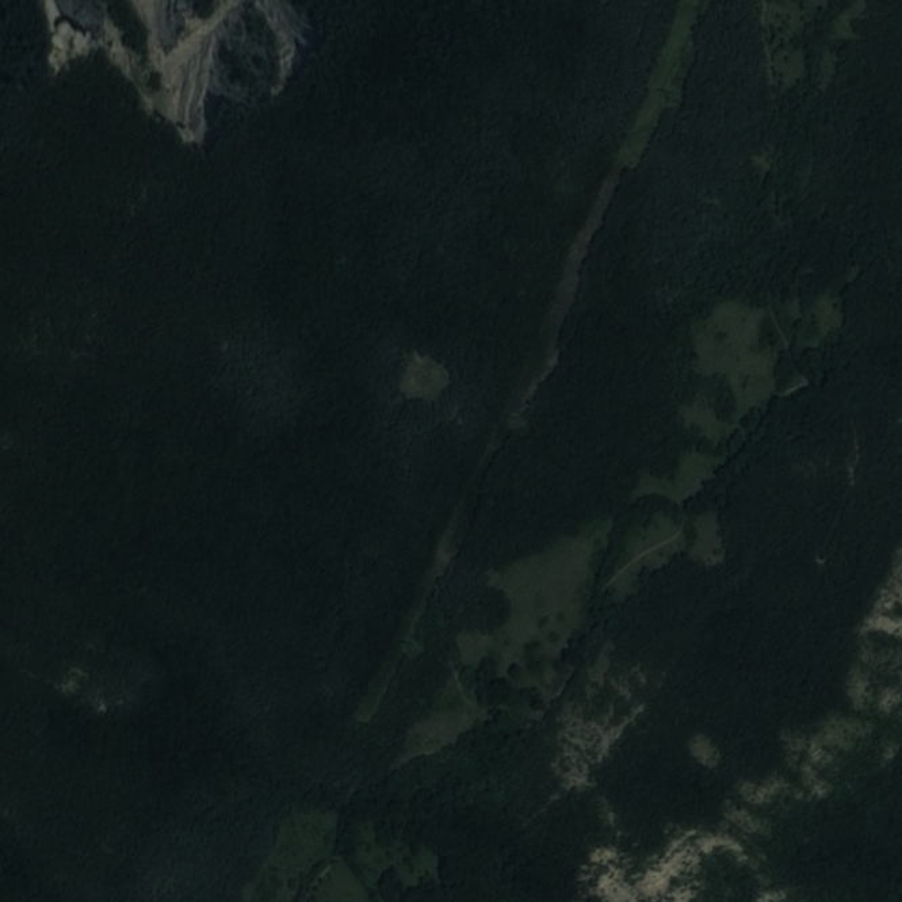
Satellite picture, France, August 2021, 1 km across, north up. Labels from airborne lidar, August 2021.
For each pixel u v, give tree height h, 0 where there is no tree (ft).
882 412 31
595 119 28
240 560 64
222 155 43
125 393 51
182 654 69
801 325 48
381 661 60
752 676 49
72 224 42
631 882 19
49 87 39
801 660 51
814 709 30
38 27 30
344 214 61
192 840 19
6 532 60
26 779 29
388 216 54
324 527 54
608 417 64
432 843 73
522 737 45
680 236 33
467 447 47
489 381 43
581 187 52
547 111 52
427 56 80
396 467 52
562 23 67
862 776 37
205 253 67
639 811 29
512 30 52
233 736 55
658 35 36
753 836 24
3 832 50
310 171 52
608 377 54
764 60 41
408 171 56
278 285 69
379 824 26
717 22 44
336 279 53
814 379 55
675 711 38
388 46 97
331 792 52
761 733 62
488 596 43
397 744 37
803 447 28
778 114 39
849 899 24
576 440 58
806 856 64
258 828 42
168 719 62
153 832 62
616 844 19
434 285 70
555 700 21
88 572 64
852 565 57
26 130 39
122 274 40
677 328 67
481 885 56
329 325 47
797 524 32
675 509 44
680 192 40
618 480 67
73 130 52
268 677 46
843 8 32
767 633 56
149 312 37
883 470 38
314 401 50
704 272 63
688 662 38
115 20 47
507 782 52
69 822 35
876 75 58
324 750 43
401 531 57
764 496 40
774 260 30
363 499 55
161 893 23
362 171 52
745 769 32
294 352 47
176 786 66
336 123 83
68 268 42
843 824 37
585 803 46
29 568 58
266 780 43
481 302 50
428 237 61
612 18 34
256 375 37
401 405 21
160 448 86
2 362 46
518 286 72
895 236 55
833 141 37
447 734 0
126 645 54
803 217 35
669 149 38
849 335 55
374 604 52
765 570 48
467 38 70
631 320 62
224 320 45
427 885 45
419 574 60
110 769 41
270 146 57
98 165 46
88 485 71
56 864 31
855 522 40
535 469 46
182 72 0
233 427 59
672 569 42
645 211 53
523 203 64
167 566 59
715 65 43
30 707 38
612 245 69
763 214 35
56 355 35
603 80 35
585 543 0
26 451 43
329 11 31
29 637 49
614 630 34
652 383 49
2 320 35
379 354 45
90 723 77
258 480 70
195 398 54
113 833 38
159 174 43
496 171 56
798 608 52
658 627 36
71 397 62
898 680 23
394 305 61
